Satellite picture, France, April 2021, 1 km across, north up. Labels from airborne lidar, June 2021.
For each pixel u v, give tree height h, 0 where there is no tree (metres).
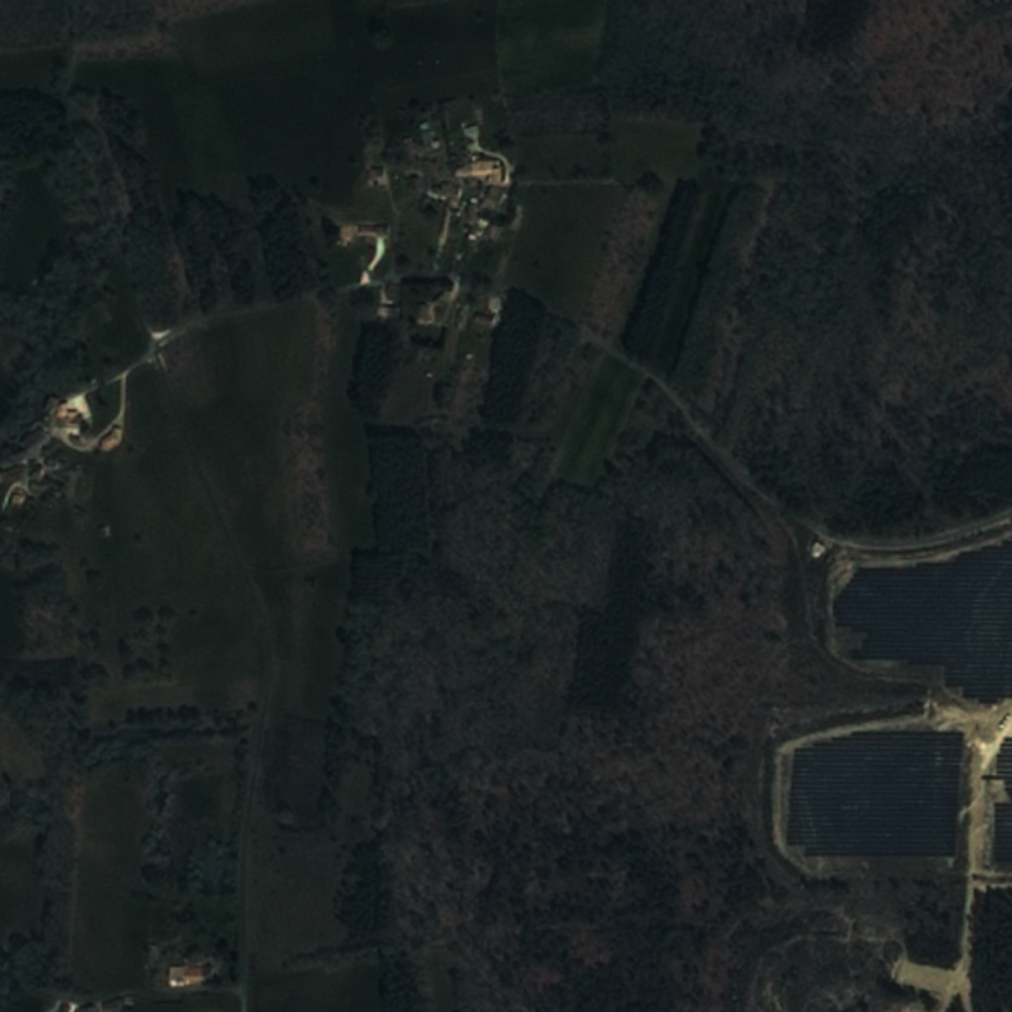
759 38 12
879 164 13
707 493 13
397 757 17
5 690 21
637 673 9
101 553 0
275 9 0
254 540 0
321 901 0
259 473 0
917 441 15
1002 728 0
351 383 0
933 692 0
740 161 17
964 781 0
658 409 14
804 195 14
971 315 14
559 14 0
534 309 20
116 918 0
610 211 0
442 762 15
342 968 10
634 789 11
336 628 0
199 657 0
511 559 16
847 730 0
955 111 19
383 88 0
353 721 26
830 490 17
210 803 0
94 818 0
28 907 0
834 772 0
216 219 20
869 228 17
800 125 17
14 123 18
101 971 0
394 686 9
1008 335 16
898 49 7
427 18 0
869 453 18
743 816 10
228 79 0
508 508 14
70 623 13
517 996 10
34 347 11
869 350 13
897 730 0
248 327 0
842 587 0
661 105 16
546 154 0
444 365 0
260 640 0
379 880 10
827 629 0
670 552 11
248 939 0
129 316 0
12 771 0
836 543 0
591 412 0
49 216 0
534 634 13
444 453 16
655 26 18
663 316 16
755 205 12
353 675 12
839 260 21
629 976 6
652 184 16
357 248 0
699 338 13
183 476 0
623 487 16
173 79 0
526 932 6
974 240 17
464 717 15
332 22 0
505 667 18
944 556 0
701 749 10
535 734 11
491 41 0
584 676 15
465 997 15
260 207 21
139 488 0
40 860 15
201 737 10
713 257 11
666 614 12
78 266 23
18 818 19
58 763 18
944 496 13
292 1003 0
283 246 22
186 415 0
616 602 14
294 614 0
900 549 0
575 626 10
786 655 0
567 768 15
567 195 0
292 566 0
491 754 11
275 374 0
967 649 0
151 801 6
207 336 0
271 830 0
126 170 14
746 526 17
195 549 0
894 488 22
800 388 19
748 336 9
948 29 6
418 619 18
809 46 11
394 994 19
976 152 15
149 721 18
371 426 0
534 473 10
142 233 16
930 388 12
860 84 9
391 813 13
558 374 13
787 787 0
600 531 17
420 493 17
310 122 0
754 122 21
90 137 20
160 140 0
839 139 16
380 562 14
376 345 19
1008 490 13
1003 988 12
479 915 10
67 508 0
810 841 0
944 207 15
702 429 13
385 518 16
